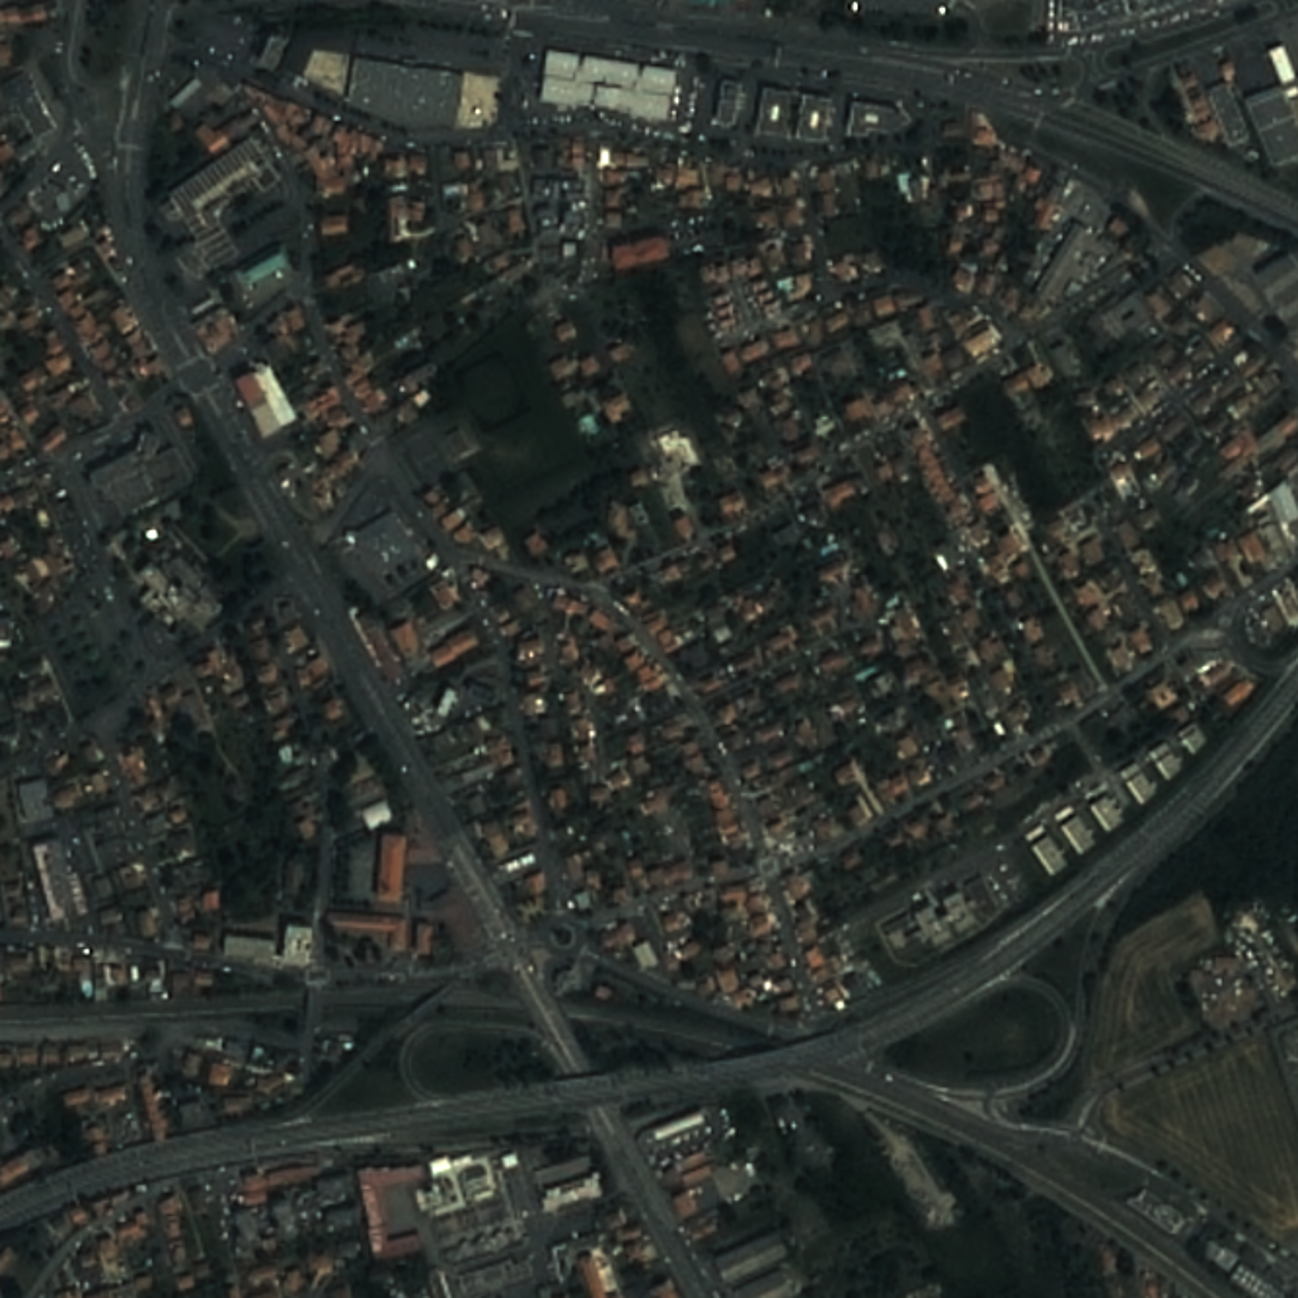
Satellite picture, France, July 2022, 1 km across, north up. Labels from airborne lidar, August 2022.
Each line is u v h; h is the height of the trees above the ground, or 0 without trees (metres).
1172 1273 0
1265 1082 0
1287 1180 0
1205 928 0
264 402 0
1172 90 9
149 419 0
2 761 8
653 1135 0
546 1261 0
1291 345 0
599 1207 7
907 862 8
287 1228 0
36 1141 12
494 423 0
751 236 8
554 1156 9
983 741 7
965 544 0
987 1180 0
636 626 0
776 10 9
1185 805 0
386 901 0
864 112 0
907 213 6
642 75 0
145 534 6
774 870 0
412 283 6
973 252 13
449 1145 0
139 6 0
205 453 5
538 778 5
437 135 0
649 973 0
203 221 0
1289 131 0
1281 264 0
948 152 6
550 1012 0
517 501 0
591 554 7
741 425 6
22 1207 0
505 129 0
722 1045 0
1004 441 7
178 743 9
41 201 0
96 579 0
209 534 14
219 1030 0
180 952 0
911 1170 0
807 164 0
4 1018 0
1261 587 0
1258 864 7
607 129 0
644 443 0
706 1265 0
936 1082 0
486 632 0
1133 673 0
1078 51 0
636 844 6
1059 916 0
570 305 0
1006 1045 0
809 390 12
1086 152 0
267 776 8
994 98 0
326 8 8
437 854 0
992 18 0
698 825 0
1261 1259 0
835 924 6
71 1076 0
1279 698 0
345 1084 0
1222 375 8
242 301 0
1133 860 0
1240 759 0
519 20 0
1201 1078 0
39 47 0
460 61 0
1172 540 0
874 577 10
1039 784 7
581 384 6
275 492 0
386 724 0
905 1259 6
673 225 0
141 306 0
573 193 0
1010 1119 0
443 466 0
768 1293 0
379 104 0
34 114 0
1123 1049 0
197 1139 0
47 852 0
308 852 6
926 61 0
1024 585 7
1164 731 9
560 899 0
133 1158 0
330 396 0
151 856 0
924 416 0
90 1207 9
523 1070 6
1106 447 0
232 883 9
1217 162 0
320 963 0
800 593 7
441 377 11
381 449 0
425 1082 0
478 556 0
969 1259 0
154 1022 0
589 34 0
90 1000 10
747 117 0
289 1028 10
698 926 8
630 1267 6
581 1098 0
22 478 0
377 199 12
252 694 9
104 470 0
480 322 11
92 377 0
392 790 11
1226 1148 0
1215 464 0
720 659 9
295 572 0
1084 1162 0
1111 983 0
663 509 0
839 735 7
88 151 0
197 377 0
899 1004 0
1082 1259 8
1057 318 0
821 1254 0
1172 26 0
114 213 0
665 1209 0
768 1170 8
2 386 10
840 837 0
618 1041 19
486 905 0
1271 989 0
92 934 0
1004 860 0
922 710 8
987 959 0
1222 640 0
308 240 0
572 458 0
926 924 0
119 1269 0
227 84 0
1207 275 0
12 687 8
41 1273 0
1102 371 9
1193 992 11
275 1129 0
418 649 0
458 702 0
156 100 0
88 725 0
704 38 0
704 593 10
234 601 12
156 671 0
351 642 0
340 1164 0
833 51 0
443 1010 7
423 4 0
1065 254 0
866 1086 0
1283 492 0
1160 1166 7
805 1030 0
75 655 8
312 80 0
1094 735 0
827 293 0
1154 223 0
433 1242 0
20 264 0
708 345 0
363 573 0
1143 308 0
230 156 0
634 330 6
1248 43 0
